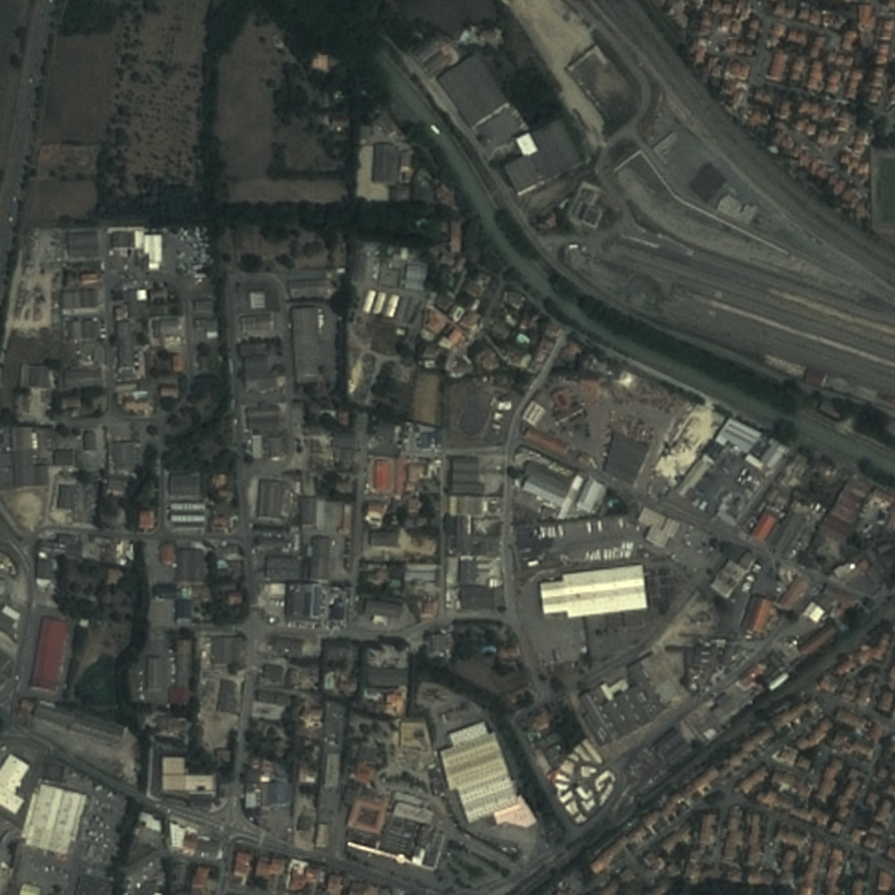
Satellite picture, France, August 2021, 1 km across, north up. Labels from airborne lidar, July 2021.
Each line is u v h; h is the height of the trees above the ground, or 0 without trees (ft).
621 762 0
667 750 0
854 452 0
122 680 37
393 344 0
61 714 0
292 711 20
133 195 25
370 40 84
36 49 0
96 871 0
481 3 0
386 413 31
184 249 0
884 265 0
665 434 0
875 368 0
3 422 34
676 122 0
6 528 0
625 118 0
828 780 0
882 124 38
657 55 0
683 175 0
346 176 74
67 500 0
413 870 0
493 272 30
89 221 26
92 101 0
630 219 0
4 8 0
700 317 0
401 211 68
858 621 22
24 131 0
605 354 29
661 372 0
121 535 0
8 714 0
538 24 0
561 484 0
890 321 0
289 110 40
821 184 31
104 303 0
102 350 0
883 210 0
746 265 0
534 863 0
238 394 0
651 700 0
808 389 0
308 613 0
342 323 27
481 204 0
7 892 0
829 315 0
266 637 0
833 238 0
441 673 32
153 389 0
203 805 0
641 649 0
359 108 58
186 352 0
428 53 0
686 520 0
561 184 0
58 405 26
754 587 0
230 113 0
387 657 0
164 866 27
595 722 0
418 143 63
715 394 0
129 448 0
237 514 0
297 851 0
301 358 0
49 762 0
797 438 76
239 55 0
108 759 0
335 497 43
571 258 0
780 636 0
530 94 25
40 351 0
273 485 0
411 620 0
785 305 0
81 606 53
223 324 35
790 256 0
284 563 0
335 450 0
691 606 0
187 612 0
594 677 0
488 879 0
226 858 0
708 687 0
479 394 0
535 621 0
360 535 0
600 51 0
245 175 0
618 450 0
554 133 0
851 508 0
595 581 0
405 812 0
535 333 47
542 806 42
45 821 0
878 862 0
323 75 37
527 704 25
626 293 0
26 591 0
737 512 0
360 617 0
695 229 0
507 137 0
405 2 0
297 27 37
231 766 19
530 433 0
